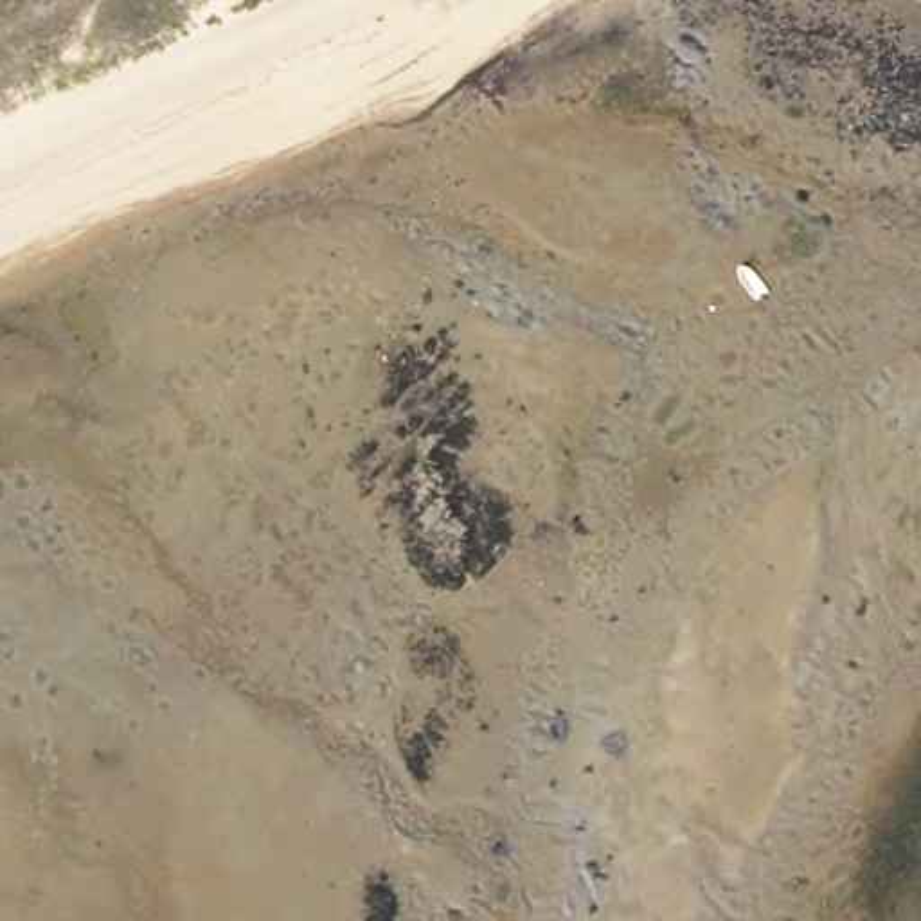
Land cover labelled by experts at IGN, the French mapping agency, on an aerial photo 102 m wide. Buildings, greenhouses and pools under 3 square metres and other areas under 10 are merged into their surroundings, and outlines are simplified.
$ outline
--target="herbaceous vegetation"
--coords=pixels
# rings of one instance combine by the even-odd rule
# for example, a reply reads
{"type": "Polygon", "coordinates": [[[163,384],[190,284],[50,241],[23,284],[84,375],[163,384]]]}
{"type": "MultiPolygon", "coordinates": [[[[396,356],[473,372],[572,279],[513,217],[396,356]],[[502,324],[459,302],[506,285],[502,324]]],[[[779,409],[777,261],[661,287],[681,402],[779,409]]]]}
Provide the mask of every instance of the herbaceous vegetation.
{"type": "Polygon", "coordinates": [[[367,881],[367,921],[396,921],[399,899],[389,885],[389,874],[381,871],[367,881]]]}
{"type": "Polygon", "coordinates": [[[450,514],[464,525],[464,550],[457,561],[443,565],[425,540],[407,558],[428,586],[457,590],[464,586],[464,579],[486,576],[496,565],[496,558],[504,558],[511,540],[507,500],[493,486],[468,486],[461,475],[457,461],[475,432],[475,417],[439,421],[432,414],[417,414],[396,425],[396,435],[435,435],[432,464],[446,486],[450,514]]]}
{"type": "Polygon", "coordinates": [[[443,716],[428,712],[425,727],[399,752],[414,781],[428,781],[432,752],[446,734],[443,716]]]}

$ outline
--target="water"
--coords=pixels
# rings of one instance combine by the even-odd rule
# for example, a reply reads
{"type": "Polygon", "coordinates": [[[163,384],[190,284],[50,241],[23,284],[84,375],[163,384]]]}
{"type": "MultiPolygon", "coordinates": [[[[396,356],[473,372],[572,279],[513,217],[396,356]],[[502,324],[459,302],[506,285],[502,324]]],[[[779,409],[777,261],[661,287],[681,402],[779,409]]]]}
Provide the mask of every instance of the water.
{"type": "Polygon", "coordinates": [[[863,809],[871,842],[856,871],[853,903],[867,910],[871,921],[921,921],[921,720],[907,748],[896,756],[892,773],[878,784],[874,802],[863,809]]]}

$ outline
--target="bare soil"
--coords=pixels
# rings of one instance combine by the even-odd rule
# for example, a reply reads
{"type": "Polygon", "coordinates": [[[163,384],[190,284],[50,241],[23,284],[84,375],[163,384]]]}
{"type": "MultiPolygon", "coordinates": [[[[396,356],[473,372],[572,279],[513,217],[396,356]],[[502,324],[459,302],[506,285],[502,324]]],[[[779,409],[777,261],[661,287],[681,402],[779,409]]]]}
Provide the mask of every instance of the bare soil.
{"type": "Polygon", "coordinates": [[[367,921],[367,881],[381,871],[389,874],[389,885],[399,899],[396,921],[871,921],[867,910],[853,903],[856,871],[871,842],[863,809],[874,802],[878,784],[892,773],[896,756],[907,748],[921,720],[921,0],[0,0],[0,921],[367,921]],[[396,435],[396,425],[417,414],[432,414],[439,421],[475,417],[475,432],[457,461],[461,475],[468,486],[493,486],[507,500],[511,540],[504,558],[496,558],[496,565],[486,576],[464,579],[464,586],[457,590],[428,586],[407,558],[425,540],[443,565],[457,561],[464,550],[464,525],[450,514],[446,486],[432,464],[435,435],[396,435]],[[399,752],[425,727],[428,712],[443,716],[446,734],[432,752],[428,781],[414,781],[399,752]]]}

